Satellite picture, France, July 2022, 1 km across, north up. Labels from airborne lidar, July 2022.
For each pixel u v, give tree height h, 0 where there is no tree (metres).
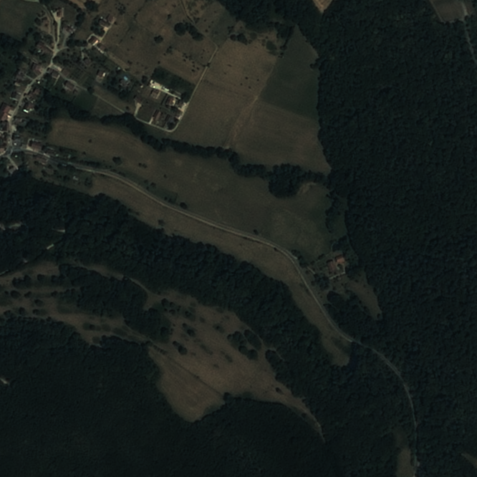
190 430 13
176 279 26
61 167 13
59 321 0
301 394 9
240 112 0
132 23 0
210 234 0
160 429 10
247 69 0
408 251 25
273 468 13
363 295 0
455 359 19
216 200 0
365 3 18
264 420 16
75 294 12
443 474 22
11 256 27
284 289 24
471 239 27
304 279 0
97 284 23
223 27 0
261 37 0
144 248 25
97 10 6
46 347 17
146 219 0
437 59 21
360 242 21
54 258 17
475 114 17
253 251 0
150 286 9
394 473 21
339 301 26
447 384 21
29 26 0
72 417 17
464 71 17
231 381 0
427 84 18
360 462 21
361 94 19
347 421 21
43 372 17
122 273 11
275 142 0
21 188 21
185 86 0
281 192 25
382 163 17
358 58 17
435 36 19
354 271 17
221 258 29
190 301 0
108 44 0
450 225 21
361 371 31
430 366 21
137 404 12
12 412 14
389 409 19
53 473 15
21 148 0
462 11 0
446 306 24
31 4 0
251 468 17
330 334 0
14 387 12
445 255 11
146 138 16
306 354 25
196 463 10
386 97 18
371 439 25
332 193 8
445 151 18
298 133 0
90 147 0
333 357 0
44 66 0
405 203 20
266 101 0
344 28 19
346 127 22
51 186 7
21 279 5
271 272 0
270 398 0
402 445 0
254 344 12
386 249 17
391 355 24
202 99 0
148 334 11
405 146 20
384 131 17
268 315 28
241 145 0
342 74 15
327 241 0
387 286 19
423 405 22
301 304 0
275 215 0
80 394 15
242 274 25
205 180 0
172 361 0
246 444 17
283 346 22
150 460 13
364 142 18
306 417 19
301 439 27
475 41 12
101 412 13
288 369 10
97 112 0
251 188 0
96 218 28
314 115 0
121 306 23
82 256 17
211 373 0
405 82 20
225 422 17
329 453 13
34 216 24
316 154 0
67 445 10
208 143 0
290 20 19
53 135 0
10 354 24
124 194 0
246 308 22
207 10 0
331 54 21
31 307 0
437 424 17
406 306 17
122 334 0
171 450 6
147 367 24
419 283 21
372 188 30
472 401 18
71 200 9
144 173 0
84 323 0
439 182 16
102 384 11
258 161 0
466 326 22
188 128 0
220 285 25
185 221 0
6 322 6
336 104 19
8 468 13
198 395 0
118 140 0
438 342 19
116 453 13
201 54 0
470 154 15
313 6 18
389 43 16
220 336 0
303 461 17
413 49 18
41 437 13
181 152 18
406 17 16
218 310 0
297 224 0
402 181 19
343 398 29
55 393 16
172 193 0
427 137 16
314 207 0
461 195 17
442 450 18
